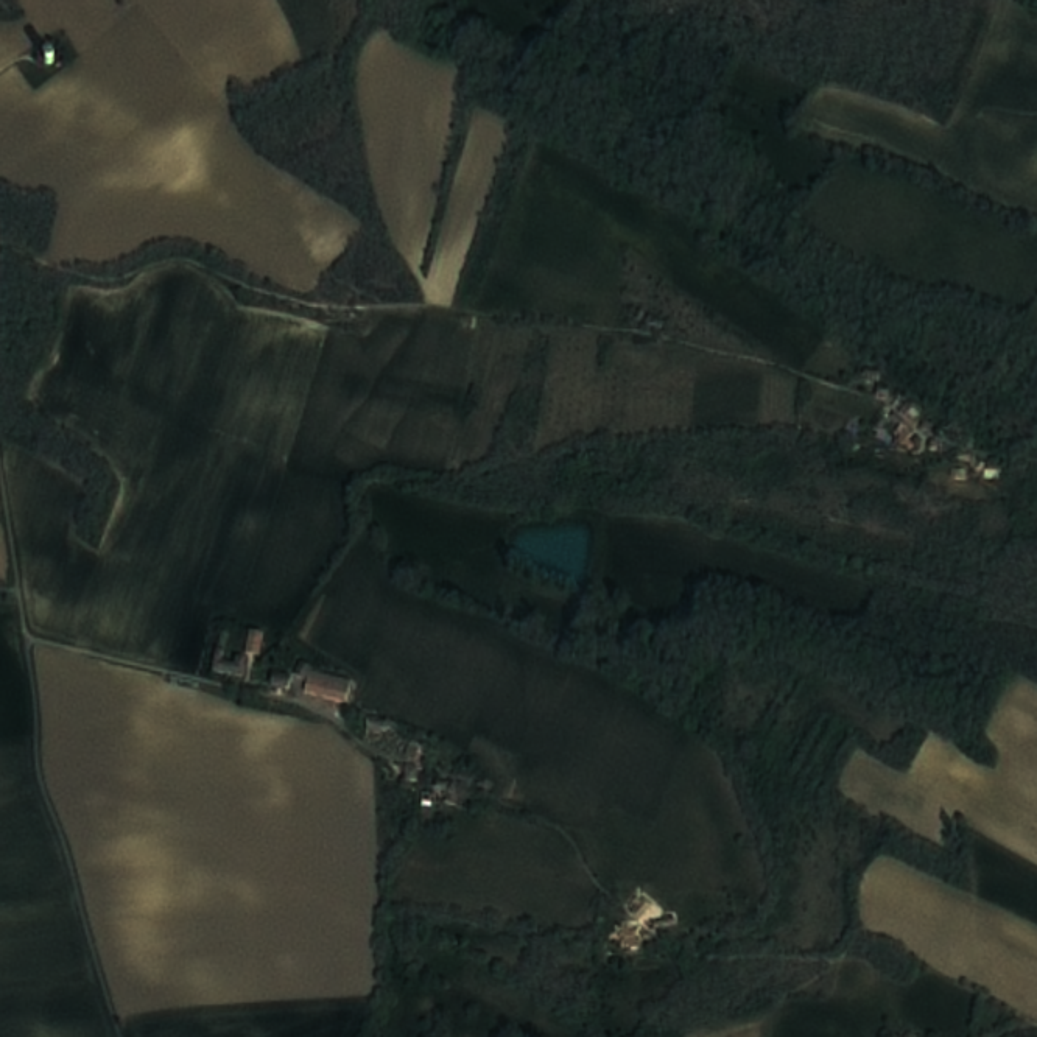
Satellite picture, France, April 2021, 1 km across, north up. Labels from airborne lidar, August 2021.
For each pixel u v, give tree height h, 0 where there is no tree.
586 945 16
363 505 17
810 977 10
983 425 6
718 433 19
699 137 28
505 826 0
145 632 0
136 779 0
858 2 16
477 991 0
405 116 0
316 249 0
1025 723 0
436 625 0
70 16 0
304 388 0
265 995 0
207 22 0
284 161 9
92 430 0
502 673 0
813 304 13
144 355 0
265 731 0
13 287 21
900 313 8
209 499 0
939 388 17
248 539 0
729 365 0
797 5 16
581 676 0
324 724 0
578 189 0
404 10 18
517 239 0
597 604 25
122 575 0
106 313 0
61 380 0
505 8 0
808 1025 0
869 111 0
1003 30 0
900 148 0
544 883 0
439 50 17
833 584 0
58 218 13
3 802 0
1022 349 17
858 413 0
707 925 13
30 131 0
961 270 0
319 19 0
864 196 0
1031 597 20
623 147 13
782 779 6
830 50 12
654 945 12
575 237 0
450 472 6
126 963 0
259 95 16
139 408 0
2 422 13
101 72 0
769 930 6
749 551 0
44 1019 0
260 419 0
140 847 0
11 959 0
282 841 0
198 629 0
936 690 20
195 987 0
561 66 27
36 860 0
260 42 0
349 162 12
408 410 0
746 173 24
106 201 0
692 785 0
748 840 8
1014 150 0
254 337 0
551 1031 0
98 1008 0
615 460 23
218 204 0
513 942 15
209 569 0
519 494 19
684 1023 19
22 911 0
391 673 0
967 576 15
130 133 0
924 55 16
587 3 23
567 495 20
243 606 0
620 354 0
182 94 0
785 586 0
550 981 24
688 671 25
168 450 0
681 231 0
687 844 0
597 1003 7
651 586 0
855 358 9
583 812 0
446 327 0
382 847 0
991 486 11
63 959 0
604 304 0
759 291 0
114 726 0
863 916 15
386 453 0
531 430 10
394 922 10
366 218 14
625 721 0
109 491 8
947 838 14
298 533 0
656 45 27
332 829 0
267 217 0
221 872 0
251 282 11
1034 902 0
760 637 23
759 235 11
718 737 11
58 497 0
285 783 0
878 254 0
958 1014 0
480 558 0
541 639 21
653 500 21
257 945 0
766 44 17
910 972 13
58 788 0
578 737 0
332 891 0
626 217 0
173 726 0
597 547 0
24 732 0
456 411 0
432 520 0
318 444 0
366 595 0
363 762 0
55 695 0
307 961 0
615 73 25
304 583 0
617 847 0
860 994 0
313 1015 0
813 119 0
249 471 0
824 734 8
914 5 11
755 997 8
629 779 0
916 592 10
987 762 10
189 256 17
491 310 0
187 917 0
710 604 29
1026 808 0
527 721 0
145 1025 0
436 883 0
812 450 13
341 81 16
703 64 27
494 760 0
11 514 0
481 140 0
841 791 11
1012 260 0
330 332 0
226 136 0
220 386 0
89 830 0
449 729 0
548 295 0
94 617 0
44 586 0
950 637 24
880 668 22
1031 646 13
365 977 0
